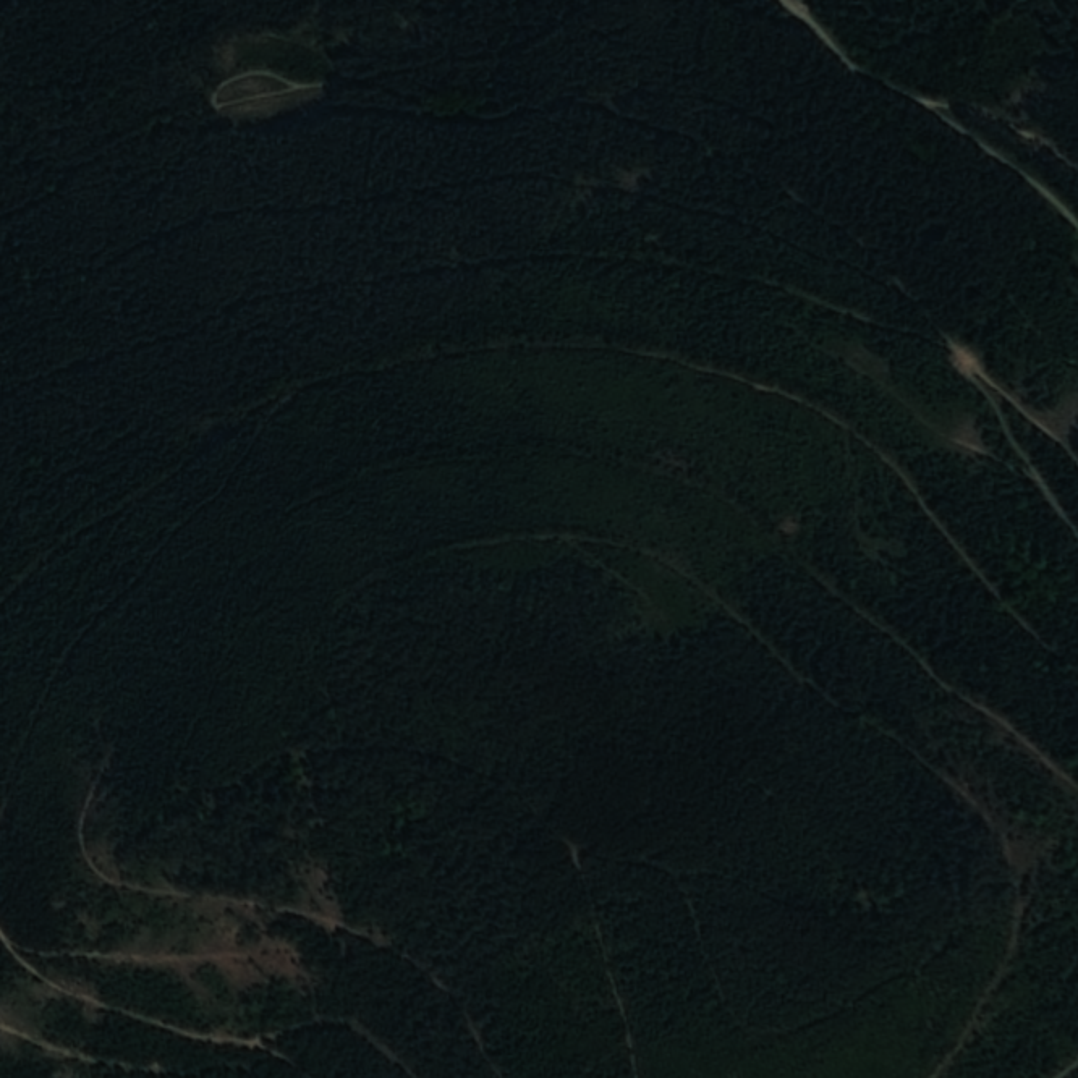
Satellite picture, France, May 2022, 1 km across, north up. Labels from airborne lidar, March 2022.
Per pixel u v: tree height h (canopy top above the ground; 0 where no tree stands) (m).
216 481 11
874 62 18
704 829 15
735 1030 6
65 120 25
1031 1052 6
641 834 24
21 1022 0
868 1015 9
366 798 16
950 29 17
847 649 16
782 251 16
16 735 9
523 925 20
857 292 17
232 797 14
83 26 25
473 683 19
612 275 9
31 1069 9
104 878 0
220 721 11
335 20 21
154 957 0
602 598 19
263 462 10
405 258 23
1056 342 9
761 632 14
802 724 18
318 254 24
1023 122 29
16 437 25
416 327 18
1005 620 10
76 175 26
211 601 10
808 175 29
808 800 13
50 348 25
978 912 30
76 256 26
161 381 24
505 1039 8
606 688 20
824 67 27
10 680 7
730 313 10
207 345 26
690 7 24
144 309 28
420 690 20
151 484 7
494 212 22
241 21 25
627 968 7
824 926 20
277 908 7
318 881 0
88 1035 6
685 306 10
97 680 9
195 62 24
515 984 7
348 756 23
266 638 7
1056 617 17
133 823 11
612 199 15
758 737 22
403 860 15
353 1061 18
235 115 0
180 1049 8
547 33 33
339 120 21
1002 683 18
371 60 28
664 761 20
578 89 18
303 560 7
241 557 8
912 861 15
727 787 14
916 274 29
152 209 20
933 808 22
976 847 31
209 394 26
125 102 22
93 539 6
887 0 18
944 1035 7
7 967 10
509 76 30
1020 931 7
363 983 22
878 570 11
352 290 26
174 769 10
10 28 27
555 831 15
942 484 12
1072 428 0
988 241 30
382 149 18
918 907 22
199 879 8
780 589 12
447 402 6
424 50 29
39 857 7
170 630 9
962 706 31
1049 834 37
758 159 27
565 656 20
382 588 6
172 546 8
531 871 22
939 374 10
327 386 7
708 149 14
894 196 30
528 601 14
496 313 9
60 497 10
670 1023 10
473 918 18
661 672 16
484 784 13
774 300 7
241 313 21
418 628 17
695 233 15
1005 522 18
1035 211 29
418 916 20
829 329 6
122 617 7
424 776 18
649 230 15
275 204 23
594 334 8
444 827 22
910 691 14
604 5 26
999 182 29
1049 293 15
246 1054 13
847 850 11
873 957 20
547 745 15
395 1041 22
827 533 7
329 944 20
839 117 29
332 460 8
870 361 0
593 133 25
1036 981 11
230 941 0
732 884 11
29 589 8
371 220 23
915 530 14
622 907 15
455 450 8
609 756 21
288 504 9
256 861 25
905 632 18
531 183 22
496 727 18
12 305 23
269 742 10
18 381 18
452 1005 17
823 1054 6
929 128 28
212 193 22
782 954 18
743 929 16
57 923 8
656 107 24
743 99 33
